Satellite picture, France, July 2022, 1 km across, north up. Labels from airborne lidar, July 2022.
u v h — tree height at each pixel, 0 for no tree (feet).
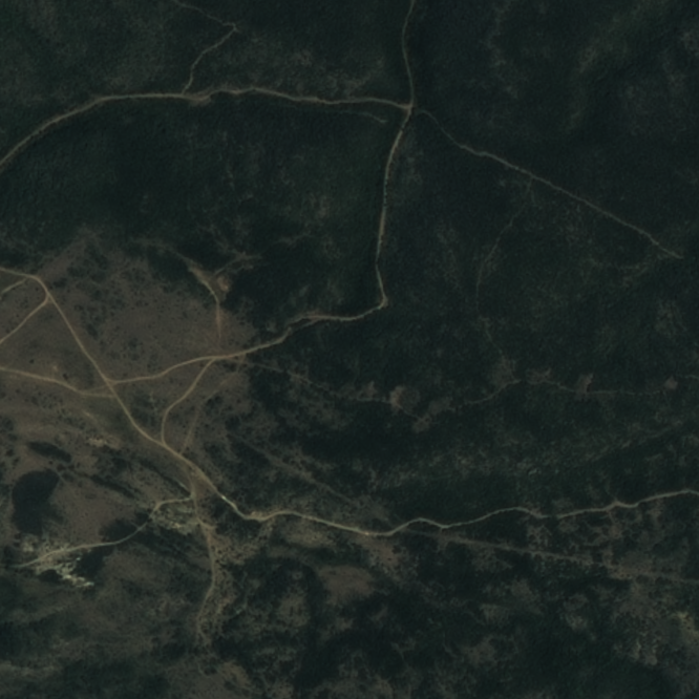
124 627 0
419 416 18
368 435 19
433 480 24
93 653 0
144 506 0
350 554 19
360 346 18
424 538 21
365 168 23
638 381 19
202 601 0
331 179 22
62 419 0
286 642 29
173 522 0
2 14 27
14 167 26
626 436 21
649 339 18
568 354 18
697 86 19
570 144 25
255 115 21
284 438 19
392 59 21
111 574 0
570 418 18
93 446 0
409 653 27
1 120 24
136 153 38
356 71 18
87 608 0
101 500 0
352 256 27
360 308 26
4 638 19
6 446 0
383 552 0
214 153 22
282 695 0
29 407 0
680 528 18
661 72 18
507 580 26
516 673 29
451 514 20
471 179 18
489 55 18
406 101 20
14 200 20
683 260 28
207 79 21
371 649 23
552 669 24
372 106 19
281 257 19
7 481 0
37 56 21
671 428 21
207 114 20
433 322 18
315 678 18
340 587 0
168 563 0
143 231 19
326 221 23
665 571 19
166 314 0
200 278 0
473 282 18
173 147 20
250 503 23
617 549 21
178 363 0
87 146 20
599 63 25
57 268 0
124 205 21
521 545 21
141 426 0
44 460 0
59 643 0
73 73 20
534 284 19
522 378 20
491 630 28
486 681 23
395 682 19
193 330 0
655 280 25
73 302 0
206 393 0
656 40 27
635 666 27
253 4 19
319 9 18
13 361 0
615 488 18
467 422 22
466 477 18
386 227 18
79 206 17
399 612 32
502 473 34
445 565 20
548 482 25
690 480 18
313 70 18
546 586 26
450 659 20
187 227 22
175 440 0
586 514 27
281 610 0
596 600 27
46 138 26
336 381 19
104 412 0
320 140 20
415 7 19
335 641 20
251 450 18
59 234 19
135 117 19
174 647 19
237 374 0
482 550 19
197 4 22
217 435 0
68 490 0
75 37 22
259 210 21
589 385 23
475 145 19
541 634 37
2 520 0
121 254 0
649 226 19
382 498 18
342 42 18
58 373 0
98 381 0
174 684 0
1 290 0
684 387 19
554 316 18
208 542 0
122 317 0
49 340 0
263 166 18
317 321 19
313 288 17
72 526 0
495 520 25
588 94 21
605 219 18
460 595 25
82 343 0
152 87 22
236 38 18
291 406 18
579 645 24
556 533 21
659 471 20
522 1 21
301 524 0
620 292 20
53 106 20
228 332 0
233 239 18
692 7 23
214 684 0
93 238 0
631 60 24
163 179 20
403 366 19
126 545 0
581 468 27
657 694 31
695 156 23
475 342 18
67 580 0
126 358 0
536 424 18
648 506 21
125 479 0
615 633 20
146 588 0
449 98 19
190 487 0
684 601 19
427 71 21
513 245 18
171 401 0
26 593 0
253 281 17
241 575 23
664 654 18
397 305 22
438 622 20
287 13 22
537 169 19
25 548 0
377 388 20
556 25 21
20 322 0
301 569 18
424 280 17
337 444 18
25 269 0
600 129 24
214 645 21
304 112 21
